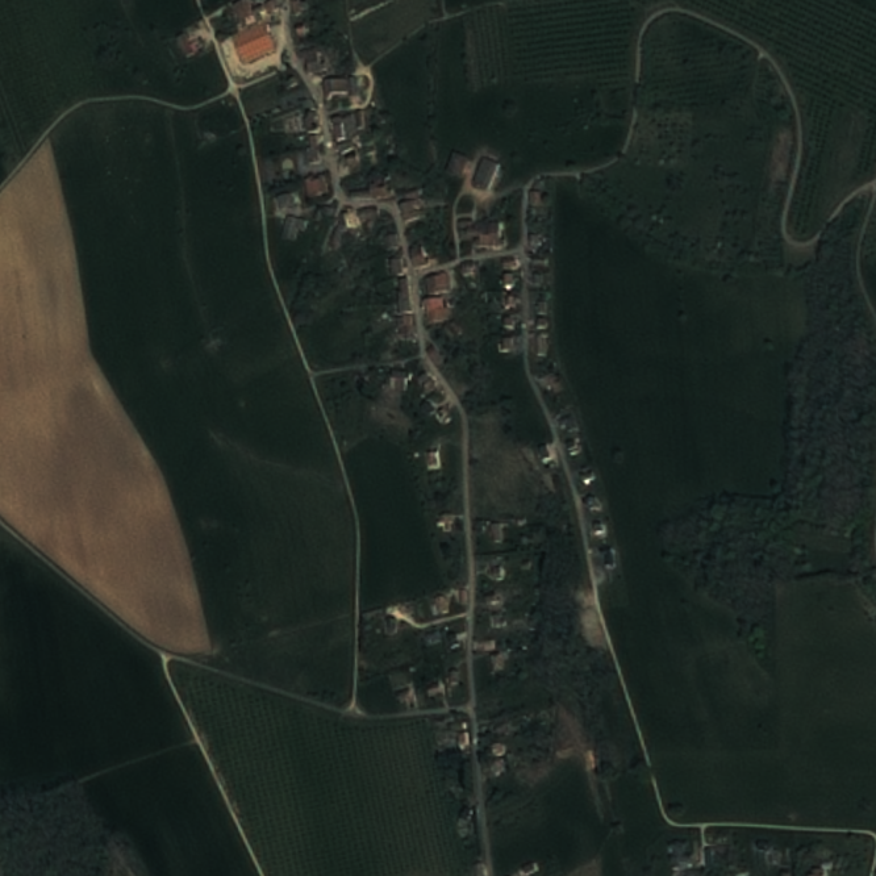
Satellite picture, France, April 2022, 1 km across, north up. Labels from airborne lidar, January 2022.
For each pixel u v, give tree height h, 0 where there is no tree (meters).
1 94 0
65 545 0
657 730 0
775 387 0
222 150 0
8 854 27
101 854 23
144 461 0
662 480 0
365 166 0
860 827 0
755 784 0
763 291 0
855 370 24
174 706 0
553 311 0
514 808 0
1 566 0
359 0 0
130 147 0
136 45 0
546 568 17
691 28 0
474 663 0
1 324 0
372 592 0
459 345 6
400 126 0
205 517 0
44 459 0
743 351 0
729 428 0
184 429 0
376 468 0
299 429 0
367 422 0
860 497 20
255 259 0
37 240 0
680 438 0
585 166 0
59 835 26
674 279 0
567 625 27
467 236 0
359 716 0
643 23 0
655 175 0
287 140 0
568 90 0
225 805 0
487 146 0
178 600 0
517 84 0
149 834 0
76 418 0
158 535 0
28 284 0
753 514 10
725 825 0
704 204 0
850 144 0
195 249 0
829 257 17
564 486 0
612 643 0
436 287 0
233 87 0
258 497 0
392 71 0
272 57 0
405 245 0
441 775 6
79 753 0
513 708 0
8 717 0
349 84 0
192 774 0
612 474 0
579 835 0
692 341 0
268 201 0
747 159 0
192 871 0
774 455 0
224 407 0
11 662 0
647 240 10
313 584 0
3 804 22
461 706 0
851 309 19
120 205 0
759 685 0
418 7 0
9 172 0
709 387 0
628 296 0
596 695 17
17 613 0
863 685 0
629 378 0
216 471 0
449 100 0
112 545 0
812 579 8
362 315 0
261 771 5
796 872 7
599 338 0
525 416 0
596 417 0
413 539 0
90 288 0
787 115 10
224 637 0
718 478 0
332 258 0
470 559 0
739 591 17
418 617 0
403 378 0
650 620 0
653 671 0
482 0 0
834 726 0
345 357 0
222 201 0
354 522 0
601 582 0
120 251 0
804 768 0
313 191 0
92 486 0
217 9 0
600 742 13
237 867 0
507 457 0
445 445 0
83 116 0
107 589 0
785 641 0
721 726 0
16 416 0
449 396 0
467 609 0
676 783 0
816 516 19
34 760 0
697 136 0
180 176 0
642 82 7
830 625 0
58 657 0
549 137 0
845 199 0
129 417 0
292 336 0
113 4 0
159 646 0
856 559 13
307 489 0
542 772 0
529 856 0
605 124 12
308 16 0
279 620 0
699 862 0
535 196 0
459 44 0
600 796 0
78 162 0
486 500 0
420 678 0
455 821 6
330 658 0
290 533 0
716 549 9
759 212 0
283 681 0
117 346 0
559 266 0
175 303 0
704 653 0
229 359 0
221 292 0
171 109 0
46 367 0
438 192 10
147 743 0
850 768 0
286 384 0
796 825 0
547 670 27
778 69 0
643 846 0
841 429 27
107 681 0
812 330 12
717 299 0
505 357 0
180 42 0
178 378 0
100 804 0
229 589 0
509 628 0
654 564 0
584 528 0
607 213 9
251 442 0
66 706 0
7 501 0
